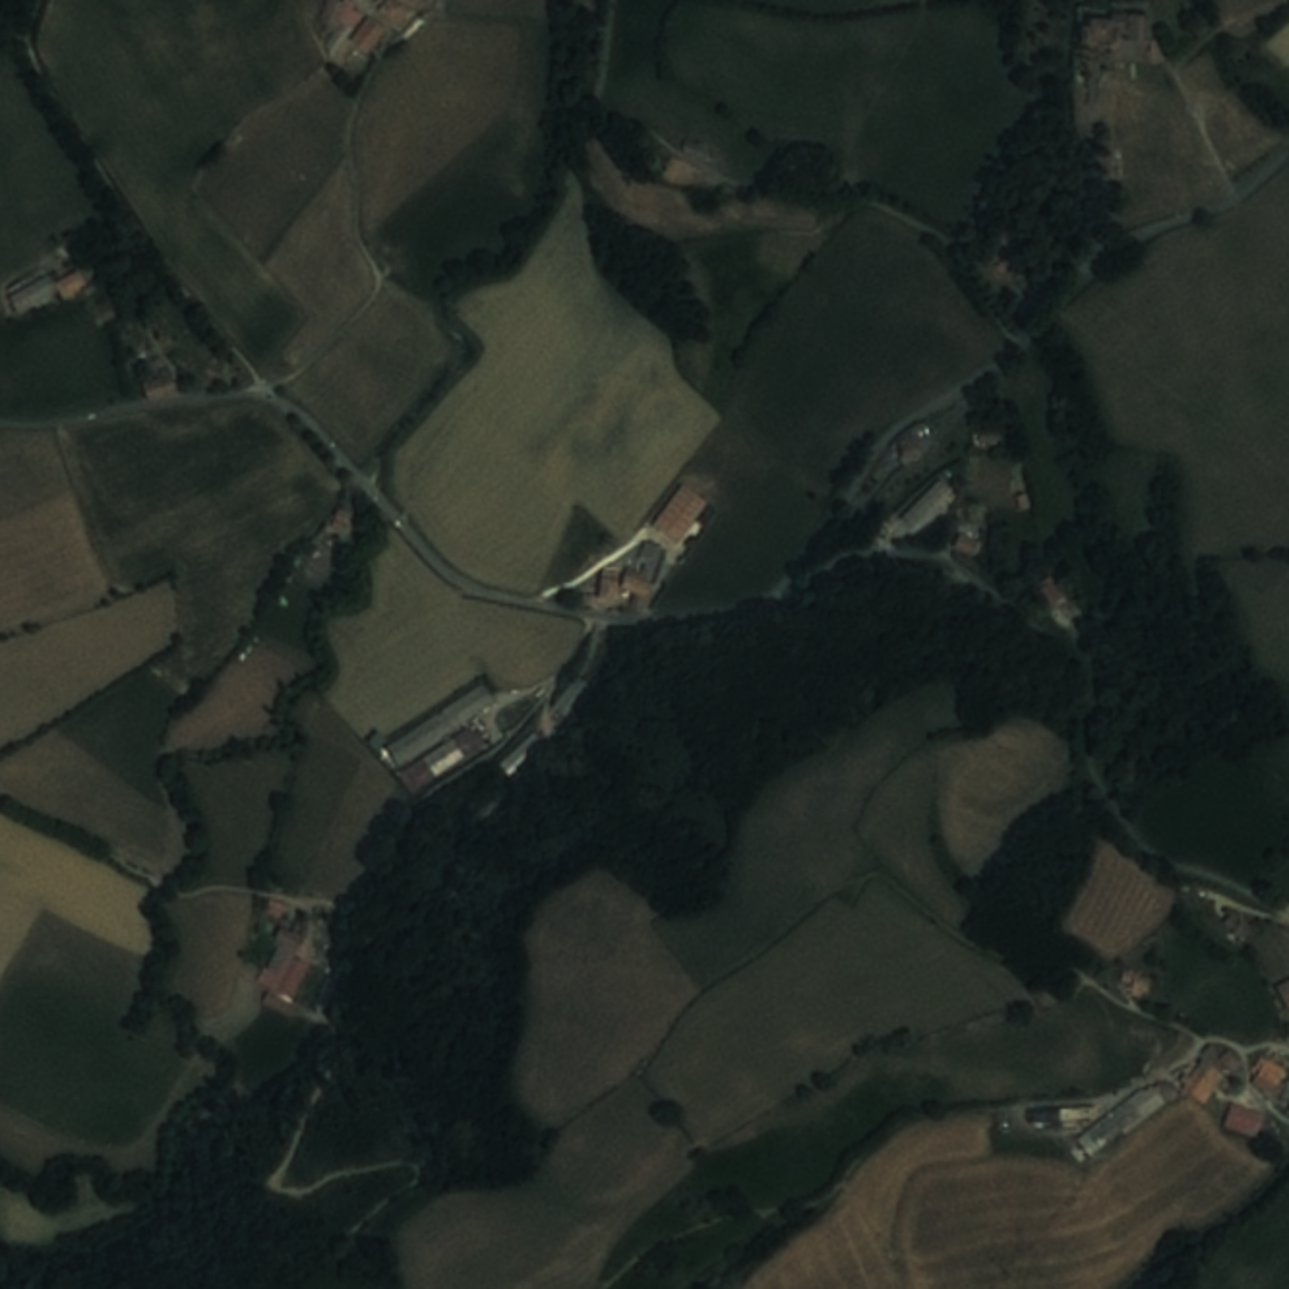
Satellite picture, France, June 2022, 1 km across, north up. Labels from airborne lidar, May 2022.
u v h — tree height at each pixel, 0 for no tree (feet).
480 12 0
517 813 42
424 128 0
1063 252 32
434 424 0
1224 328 0
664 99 0
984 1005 0
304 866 0
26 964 0
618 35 0
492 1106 64
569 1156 0
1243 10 0
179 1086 0
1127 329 0
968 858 0
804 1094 39
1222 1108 0
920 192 0
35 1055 0
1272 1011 0
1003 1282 0
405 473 0
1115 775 50
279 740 28
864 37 0
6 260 0
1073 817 62
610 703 55
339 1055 76
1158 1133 0
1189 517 0
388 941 45
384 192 0
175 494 0
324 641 37
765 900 0
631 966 0
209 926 0
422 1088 66
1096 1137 0
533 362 0
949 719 0
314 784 0
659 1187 0
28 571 0
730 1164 0
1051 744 0
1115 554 76
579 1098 0
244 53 0
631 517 0
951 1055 0
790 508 0
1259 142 0
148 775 0
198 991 0
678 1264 36
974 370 0
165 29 0
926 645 26
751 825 0
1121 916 0
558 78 26
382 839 72
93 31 0
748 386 0
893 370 0
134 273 72
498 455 0
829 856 0
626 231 49
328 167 0
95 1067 0
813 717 62
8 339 0
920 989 0
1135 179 0
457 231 0
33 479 0
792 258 0
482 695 0
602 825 42
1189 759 70
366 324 0
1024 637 76
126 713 0
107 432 0
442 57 0
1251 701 60
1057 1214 0
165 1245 94
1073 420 65
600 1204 0
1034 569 49
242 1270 63
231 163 0
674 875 61
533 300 0
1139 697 102
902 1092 0
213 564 0
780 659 76
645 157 54
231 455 0
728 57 0
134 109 0
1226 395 0
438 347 0
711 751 58
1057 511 0
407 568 0
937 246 40
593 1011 0
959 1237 0
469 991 24
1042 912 66
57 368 0
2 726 0
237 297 0
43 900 0
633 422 0
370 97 0
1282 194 0
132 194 0
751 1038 0
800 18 24
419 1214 0
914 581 68
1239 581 0
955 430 0
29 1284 65
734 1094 0
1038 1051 0
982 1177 0
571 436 0
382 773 0
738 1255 35
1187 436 0
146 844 0
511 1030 50
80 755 0
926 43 0
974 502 18
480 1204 0
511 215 0
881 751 0
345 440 0
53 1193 32
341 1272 33
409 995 49
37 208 0
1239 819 0
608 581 0
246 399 0
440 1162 37
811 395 0
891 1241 0
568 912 0
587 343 0
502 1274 0
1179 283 0
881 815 0
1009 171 68
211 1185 86
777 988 0
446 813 37
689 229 0
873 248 0
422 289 0
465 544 0
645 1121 0
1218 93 0
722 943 0
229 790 0
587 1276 0
